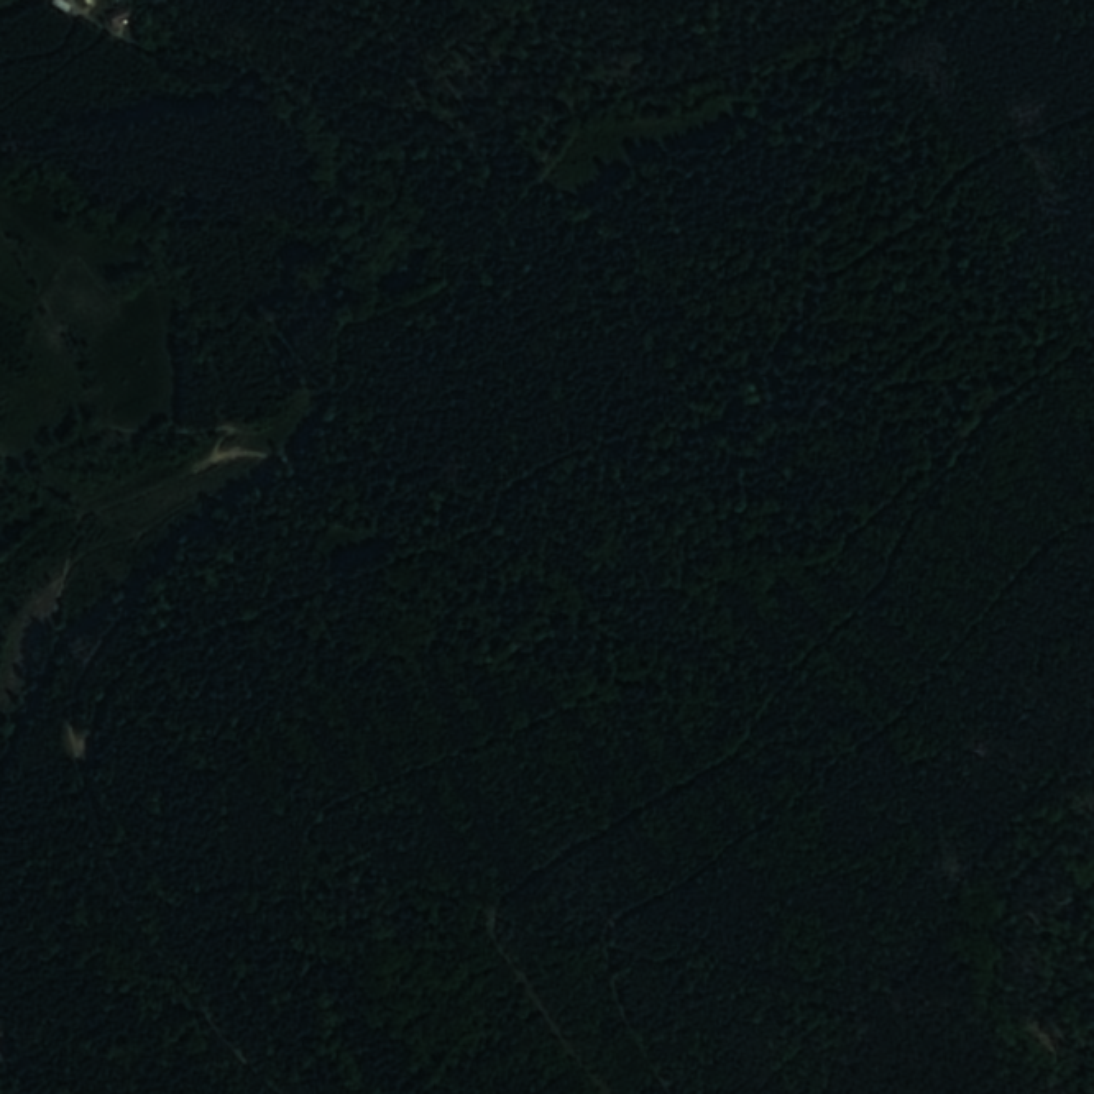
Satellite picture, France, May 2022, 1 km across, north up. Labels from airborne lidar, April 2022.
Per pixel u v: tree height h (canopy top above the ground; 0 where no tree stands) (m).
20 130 16
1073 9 26
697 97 14
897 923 15
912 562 15
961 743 14
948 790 20
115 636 24
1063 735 20
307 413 0
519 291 30
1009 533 16
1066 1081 22
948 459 16
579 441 26
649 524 26
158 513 0
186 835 26
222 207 29
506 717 18
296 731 19
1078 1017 34
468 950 8
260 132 32
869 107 24
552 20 30
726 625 17
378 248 24
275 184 35
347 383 22
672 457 26
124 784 26
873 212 8
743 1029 20
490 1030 8
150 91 8
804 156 28
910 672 12
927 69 21
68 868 25
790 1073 16
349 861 18
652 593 25
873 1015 21
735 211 27
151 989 23
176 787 27
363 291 24
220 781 21
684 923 19
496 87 32
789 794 14
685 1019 20
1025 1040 22
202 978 23
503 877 17
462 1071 16
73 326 0
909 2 21
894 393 20
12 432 0
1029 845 21
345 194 26
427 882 14
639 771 17
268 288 7
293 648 24
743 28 35
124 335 0
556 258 30
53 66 14
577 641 23
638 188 19
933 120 18
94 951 20
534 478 13
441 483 26
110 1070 23
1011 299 21
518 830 16
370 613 20
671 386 23
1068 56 23
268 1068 22
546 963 15
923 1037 24
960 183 9
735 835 16
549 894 13
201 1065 21
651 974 15
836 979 15
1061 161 17
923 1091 27
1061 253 26
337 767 18
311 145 25
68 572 0
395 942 20
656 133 0
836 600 20
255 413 8
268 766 16
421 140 31
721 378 15
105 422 0
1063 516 16
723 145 23
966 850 18
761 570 19
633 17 25
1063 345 15
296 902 22
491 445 22
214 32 23
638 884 14
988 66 22
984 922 20
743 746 14
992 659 16
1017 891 25
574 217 23
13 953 24
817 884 14
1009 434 13
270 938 23
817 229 20
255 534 25
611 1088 17
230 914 19
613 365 23
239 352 10
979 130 19
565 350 25
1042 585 15
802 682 17
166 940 25
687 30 30
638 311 28
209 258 9
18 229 0
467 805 20
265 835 20
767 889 17
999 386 29
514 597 26
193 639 28
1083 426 14
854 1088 24
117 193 32
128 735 26
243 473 0
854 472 20
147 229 22
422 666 19
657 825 13
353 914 16
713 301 20
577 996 15
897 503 11
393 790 15
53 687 21
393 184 20
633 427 26
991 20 22
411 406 25
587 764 19
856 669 14
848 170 17
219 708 27
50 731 22
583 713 19
